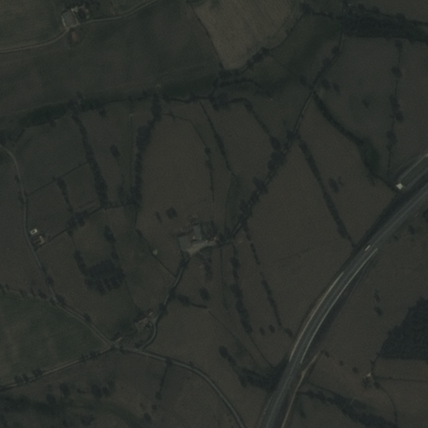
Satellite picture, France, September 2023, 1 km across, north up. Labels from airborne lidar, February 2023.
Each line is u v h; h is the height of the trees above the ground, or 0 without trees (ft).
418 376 0
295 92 0
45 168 0
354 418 48
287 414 0
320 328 0
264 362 0
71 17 0
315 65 0
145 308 0
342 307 0
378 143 0
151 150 0
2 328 0
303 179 0
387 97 0
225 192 0
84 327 0
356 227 0
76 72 0
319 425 0
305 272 0
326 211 0
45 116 0
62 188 49
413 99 0
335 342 0
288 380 0
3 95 0
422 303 50
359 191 0
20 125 0
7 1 0
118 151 43
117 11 27
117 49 0
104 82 0
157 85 0
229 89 0
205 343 0
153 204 0
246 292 0
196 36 0
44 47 0
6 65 0
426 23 22
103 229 0
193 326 0
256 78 0
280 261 0
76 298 0
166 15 0
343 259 0
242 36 0
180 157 0
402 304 0
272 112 0
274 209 0
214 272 0
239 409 0
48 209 0
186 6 0
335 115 0
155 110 50
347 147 0
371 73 0
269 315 0
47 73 0
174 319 0
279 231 0
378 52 0
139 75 0
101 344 0
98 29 0
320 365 0
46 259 0
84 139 50
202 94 0
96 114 0
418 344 26
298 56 0
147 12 0
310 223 0
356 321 0
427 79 0
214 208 0
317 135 0
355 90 0
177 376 0
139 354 0
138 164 42
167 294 0
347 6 42
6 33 0
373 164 0
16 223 0
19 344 0
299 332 0
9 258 0
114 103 0
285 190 0
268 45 0
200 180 0
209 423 0
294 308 0
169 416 0
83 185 0
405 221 0
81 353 0
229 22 0
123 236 0
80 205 0
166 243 0
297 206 0
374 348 0
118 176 0
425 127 0
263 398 0
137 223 0
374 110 0
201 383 0
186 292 0
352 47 0
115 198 0
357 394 0
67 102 0
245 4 0
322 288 0
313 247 0
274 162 51
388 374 0
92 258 0
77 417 0
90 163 43
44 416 0
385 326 0
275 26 0
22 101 0
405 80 0
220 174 0
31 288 0
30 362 0
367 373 0
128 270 0
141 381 0
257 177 0
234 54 0
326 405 0
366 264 0
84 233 0
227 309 0
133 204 57
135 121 0
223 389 0
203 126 0
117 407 0
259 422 0
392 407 0
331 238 0
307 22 0
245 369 29
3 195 0
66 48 0
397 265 0
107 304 0
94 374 0
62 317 0
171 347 0
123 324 0
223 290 0
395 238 33
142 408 0
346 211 0
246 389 0
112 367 0
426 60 0
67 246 0
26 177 0
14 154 0
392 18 0
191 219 0
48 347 0
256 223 0
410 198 0
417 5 0
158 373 0
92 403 0
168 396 0
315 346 0
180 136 0
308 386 0
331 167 0
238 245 0
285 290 0
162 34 0
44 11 0
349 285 0
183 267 45
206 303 0
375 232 0
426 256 0
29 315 0
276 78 0
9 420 0
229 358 30
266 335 0
